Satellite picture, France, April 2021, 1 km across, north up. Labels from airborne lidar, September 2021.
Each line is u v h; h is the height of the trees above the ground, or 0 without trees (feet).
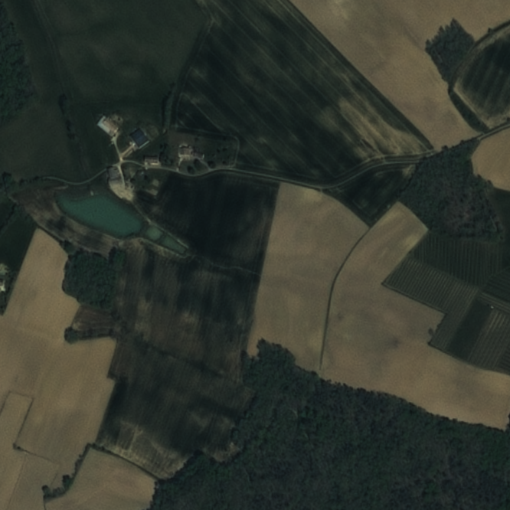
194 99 0
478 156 0
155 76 0
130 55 0
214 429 0
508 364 0
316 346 0
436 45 38
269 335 0
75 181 0
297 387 41
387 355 0
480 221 33
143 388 0
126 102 0
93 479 0
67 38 0
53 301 0
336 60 0
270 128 0
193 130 0
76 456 0
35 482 0
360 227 0
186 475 57
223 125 0
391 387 0
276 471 58
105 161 0
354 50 0
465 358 0
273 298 0
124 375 0
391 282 0
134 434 0
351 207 0
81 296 54
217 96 0
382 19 0
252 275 0
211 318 0
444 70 47
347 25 0
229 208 0
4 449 0
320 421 70
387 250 0
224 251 0
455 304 0
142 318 0
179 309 0
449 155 59
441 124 0
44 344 0
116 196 0
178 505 57
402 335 0
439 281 0
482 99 0
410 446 60
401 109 0
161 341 0
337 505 79
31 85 78
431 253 0
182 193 0
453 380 0
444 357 0
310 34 0
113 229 0
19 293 0
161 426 0
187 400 0
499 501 79
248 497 55
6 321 0
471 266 0
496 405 0
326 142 0
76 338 54
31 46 0
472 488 65
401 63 0
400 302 0
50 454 0
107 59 0
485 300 0
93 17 0
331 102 0
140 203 0
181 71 0
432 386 0
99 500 0
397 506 62
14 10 0
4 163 0
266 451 64
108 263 36
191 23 0
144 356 0
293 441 60
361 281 0
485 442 68
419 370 0
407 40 0
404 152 0
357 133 0
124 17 0
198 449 0
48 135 0
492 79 0
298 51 0
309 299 0
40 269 0
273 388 58
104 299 53
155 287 0
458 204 43
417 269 0
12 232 0
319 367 0
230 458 0
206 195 0
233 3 0
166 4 0
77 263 54
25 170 0
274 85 0
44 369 0
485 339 0
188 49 0
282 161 0
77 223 0
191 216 0
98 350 0
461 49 48
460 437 58
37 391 0
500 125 0
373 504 74
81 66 0
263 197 0
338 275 0
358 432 57
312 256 0
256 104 0
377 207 0
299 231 0
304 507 59
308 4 0
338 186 0
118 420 0
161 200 0
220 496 69
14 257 0
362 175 0
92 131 0
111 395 0
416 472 61
